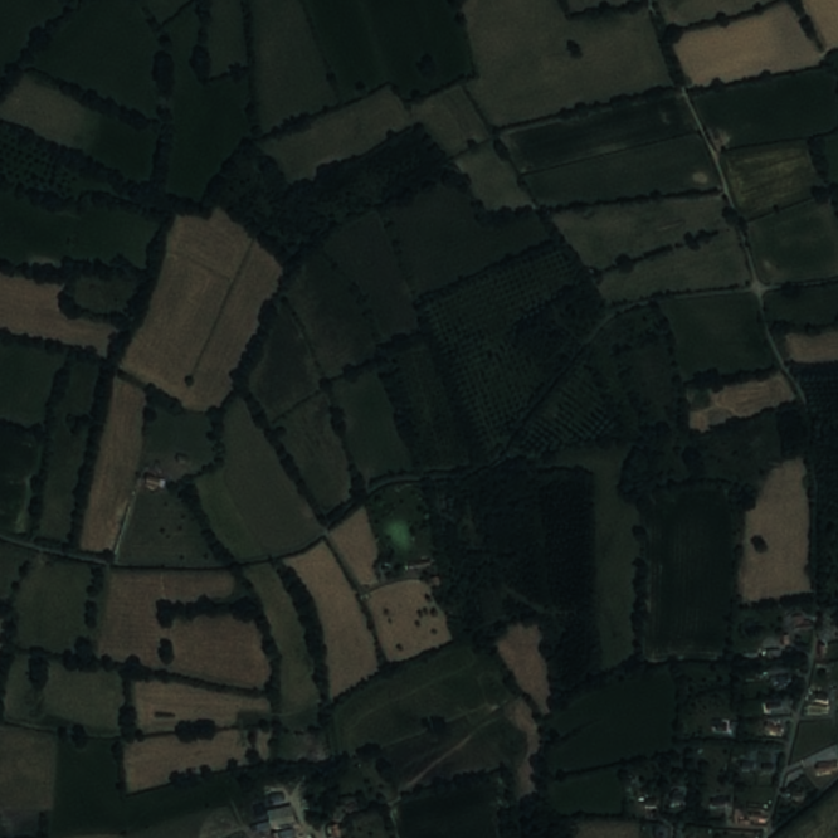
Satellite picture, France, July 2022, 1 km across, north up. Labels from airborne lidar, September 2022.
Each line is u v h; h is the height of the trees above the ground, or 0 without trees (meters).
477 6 0
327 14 0
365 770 0
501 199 0
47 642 0
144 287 16
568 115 11
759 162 0
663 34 8
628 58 0
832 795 6
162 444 0
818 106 0
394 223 7
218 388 0
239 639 0
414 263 0
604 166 0
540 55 0
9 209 0
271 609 0
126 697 6
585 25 0
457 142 0
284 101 0
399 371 7
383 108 0
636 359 0
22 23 0
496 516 11
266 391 0
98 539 0
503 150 16
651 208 0
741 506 14
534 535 6
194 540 0
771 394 0
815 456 11
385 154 8
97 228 0
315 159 0
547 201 0
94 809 0
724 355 0
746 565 0
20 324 0
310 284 0
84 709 0
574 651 10
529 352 8
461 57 0
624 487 13
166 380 0
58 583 0
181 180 0
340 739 0
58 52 0
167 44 15
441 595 13
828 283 5
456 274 0
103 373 17
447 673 0
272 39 0
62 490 0
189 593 0
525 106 0
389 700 0
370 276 0
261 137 10
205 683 7
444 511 7
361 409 0
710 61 0
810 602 13
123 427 0
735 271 0
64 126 0
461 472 15
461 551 8
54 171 10
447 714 0
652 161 0
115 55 0
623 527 0
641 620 16
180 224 0
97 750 0
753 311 0
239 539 0
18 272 6
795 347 0
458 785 14
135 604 0
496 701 0
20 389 0
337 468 0
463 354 15
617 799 0
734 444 0
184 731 17
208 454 0
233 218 8
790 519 0
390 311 0
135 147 0
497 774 7
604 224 0
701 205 0
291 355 0
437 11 0
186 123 0
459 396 13
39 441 16
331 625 0
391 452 0
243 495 0
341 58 0
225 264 0
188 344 0
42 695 0
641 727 0
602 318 9
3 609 19
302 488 12
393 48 0
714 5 0
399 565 7
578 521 7
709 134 9
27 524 0
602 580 0
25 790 0
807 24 15
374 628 9
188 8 5
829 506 14
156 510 0
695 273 0
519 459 9
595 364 9
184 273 0
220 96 0
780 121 0
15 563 0
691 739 8
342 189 6
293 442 0
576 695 10
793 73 10
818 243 0
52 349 14
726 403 0
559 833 10
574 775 7
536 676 0
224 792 0
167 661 14
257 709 0
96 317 8
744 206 0
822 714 0
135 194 19
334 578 0
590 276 19
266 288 0
